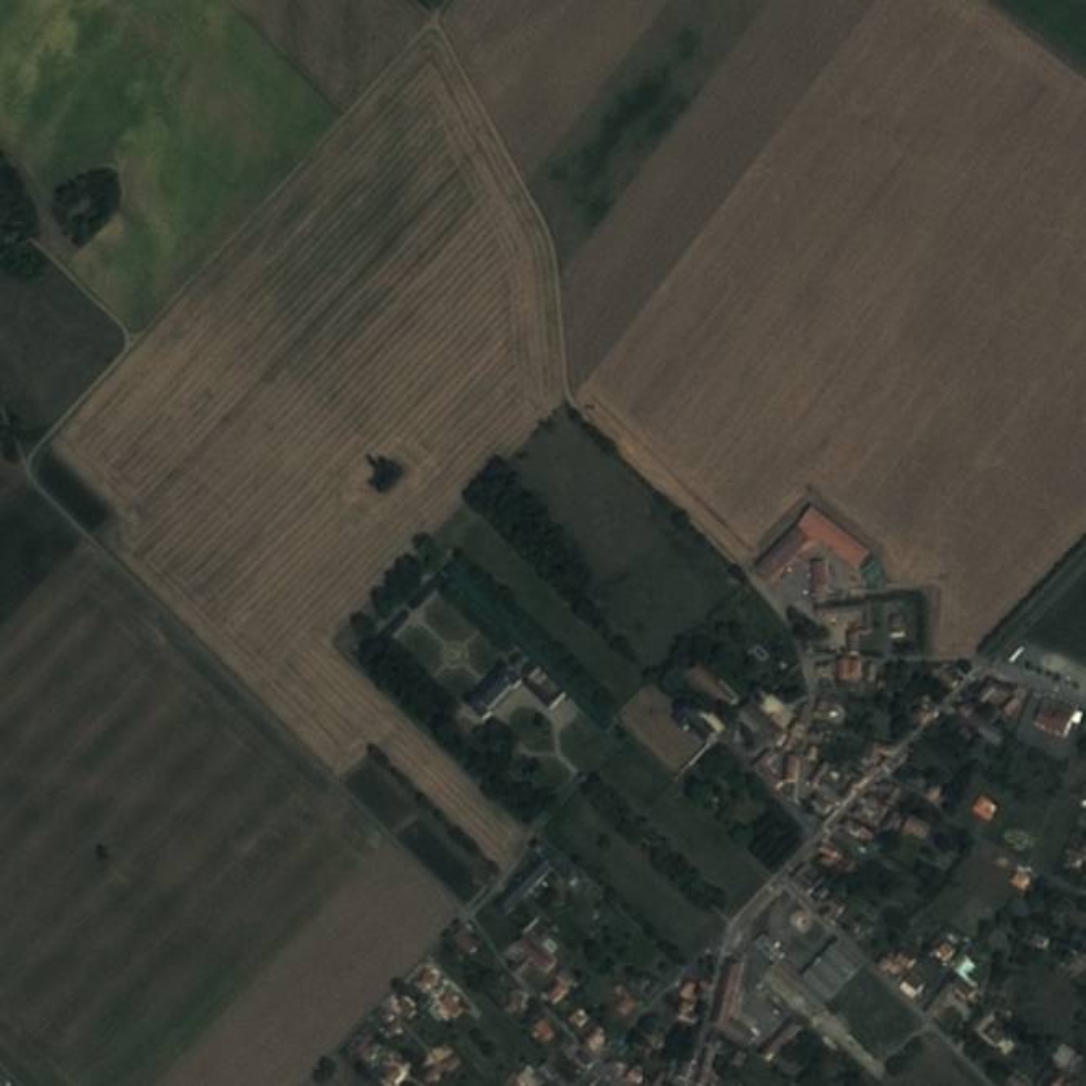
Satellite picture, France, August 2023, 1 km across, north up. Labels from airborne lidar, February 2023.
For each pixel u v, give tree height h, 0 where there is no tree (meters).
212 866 0
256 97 0
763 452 0
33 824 0
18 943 0
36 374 0
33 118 0
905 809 9
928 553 0
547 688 0
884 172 0
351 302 0
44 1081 0
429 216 0
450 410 0
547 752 0
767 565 0
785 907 0
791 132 0
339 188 0
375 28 0
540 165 0
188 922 0
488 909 0
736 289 0
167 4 0
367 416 0
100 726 0
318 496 0
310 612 0
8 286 0
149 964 0
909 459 0
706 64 0
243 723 0
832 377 0
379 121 0
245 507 0
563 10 0
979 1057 12
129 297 0
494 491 25
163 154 0
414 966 0
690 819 0
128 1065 0
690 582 0
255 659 0
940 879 13
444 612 0
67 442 0
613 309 0
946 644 0
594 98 0
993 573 0
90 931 0
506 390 0
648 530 0
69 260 0
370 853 0
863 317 0
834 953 0
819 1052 14
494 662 0
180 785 0
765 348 0
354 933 0
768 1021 0
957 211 0
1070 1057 0
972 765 10
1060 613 0
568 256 0
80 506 0
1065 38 0
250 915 0
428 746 0
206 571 0
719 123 0
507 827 0
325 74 0
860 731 7
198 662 0
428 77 0
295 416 0
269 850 0
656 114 0
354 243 0
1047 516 0
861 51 0
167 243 0
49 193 0
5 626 0
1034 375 0
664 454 0
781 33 0
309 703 0
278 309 0
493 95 0
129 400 0
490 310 0
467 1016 0
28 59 0
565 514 0
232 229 0
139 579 0
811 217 0
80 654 0
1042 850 0
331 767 0
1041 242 0
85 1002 0
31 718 0
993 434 0
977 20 0
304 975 0
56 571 0
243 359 0
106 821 0
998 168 0
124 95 0
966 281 0
